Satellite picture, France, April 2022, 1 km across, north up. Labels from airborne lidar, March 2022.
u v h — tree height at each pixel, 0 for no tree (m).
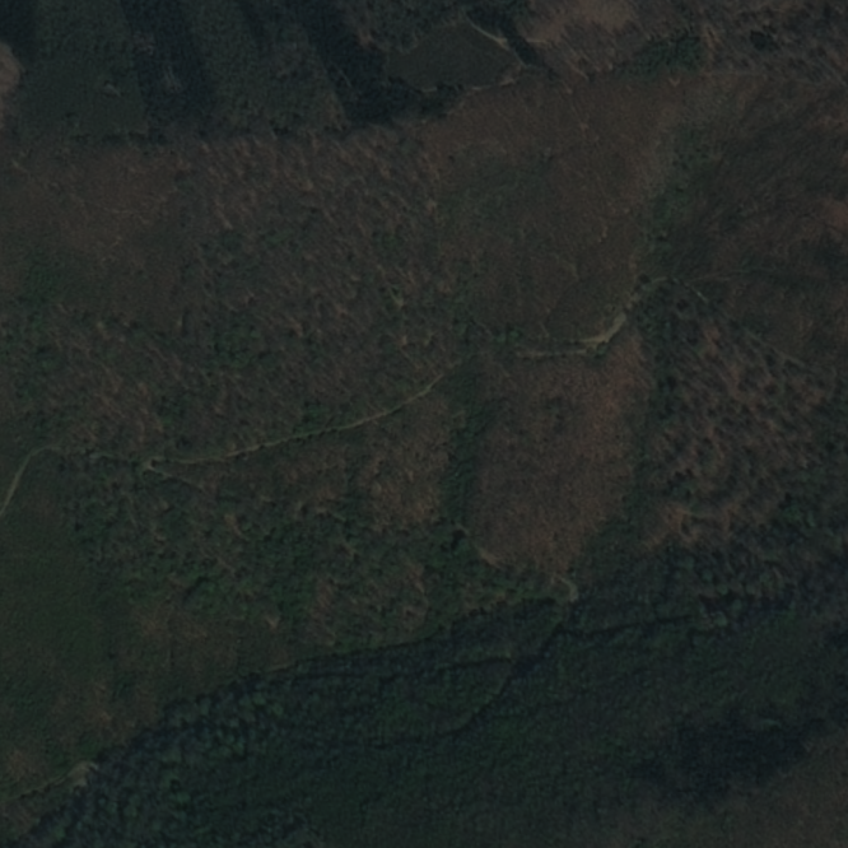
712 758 17
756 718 23
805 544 30
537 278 14
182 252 14
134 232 8
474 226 13
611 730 25
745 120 6
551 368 15
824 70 25
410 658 15
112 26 13
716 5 27
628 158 11
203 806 8
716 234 9
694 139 12
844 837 13
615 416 17
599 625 20
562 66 22
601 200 12
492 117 13
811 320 7
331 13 20
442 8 19
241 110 7
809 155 5
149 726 17
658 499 18
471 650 23
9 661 13
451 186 13
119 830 34
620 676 21
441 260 26
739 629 34
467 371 9
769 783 9
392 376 24
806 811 10
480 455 15
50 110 12
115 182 11
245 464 13
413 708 23
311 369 29
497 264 12
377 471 12
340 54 18
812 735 14
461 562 24
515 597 23
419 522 16
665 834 19
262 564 27
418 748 19
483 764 21
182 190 21
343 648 17
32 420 21
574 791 22
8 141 11
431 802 16
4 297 15
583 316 16
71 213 11
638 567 24
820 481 30
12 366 29
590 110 11
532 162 15
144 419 26
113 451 10
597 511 19
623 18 0
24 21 19
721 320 34
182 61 21
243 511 33
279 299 30
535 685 21
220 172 26
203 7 14
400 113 23
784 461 29
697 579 16
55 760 14
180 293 19
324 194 24
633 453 17
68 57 13
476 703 22
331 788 15
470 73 0
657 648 27
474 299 17
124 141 12
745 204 9
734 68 29
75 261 11
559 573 11
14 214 10
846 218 0
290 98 15
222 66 12
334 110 7
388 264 24
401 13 18
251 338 31
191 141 17
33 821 23
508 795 16
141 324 12
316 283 27
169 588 12
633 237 14
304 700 20
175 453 11
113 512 27
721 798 19
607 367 17
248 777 11
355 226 28
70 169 13
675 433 24
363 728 21
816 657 18
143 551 26
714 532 30
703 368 30
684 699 25
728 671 22
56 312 27
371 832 19
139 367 21
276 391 30
